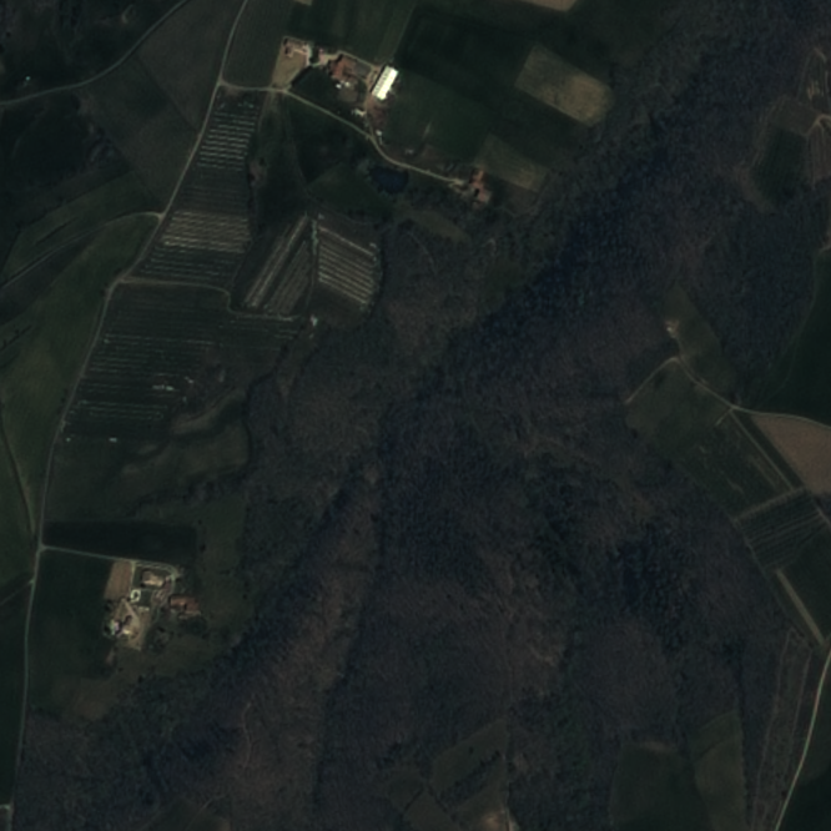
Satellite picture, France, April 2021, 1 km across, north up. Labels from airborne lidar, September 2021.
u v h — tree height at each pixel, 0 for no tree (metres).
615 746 9
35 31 0
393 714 14
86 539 0
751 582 18
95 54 0
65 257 0
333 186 0
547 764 15
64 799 20
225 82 0
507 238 14
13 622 0
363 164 18
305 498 19
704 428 0
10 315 0
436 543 17
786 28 11
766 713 13
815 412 0
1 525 0
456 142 0
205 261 0
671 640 21
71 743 11
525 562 11
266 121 0
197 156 0
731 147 19
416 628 19
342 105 0
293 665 12
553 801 12
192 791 10
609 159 25
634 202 20
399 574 18
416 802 0
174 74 0
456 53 0
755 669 16
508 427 17
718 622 13
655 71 17
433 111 0
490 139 0
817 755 0
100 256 0
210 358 0
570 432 19
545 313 14
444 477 18
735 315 17
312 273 0
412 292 14
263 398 16
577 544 25
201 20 0
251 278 0
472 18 0
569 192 25
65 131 0
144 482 0
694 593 6
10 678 0
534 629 19
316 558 19
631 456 17
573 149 0
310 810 19
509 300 18
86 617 0
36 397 0
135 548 0
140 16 0
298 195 0
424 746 7
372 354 7
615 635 12
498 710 10
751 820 8
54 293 0
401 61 0
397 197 20
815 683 0
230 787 8
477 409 8
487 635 15
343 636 21
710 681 6
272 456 15
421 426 16
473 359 14
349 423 9
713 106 12
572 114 0
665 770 0
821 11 15
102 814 18
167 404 0
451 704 12
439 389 8
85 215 0
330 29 0
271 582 12
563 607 27
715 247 11
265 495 17
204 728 7
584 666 10
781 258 15
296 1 0
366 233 0
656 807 0
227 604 0
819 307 0
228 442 0
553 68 0
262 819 10
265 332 0
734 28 23
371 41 0
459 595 11
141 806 16
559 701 20
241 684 17
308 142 0
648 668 11
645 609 18
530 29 0
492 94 0
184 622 8
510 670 8
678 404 0
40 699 0
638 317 14
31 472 0
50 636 0
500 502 19
